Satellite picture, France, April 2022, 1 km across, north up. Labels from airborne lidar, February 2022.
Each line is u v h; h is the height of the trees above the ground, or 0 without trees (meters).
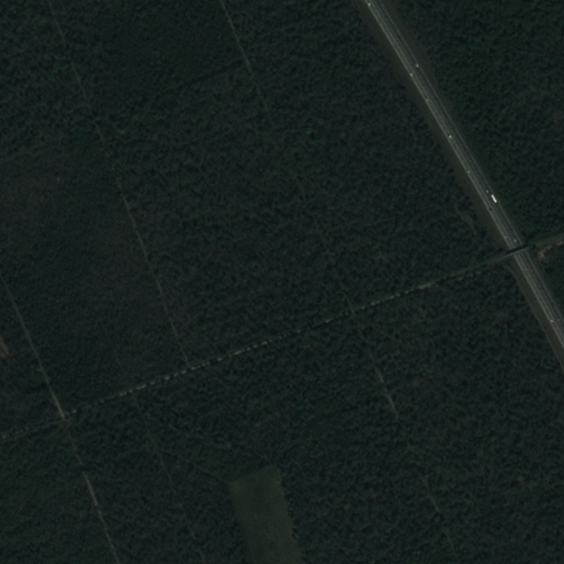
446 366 23
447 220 15
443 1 18
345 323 17
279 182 16
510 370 18
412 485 21
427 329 21
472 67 18
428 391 17
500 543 18
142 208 14
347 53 9
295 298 7
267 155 17
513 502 16
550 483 22
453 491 18
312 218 11
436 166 15
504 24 19
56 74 12
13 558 15
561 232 10
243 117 19
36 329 10
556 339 0
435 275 13
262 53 12
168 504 7
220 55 7
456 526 18
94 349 11
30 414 15
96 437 15
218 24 8
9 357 12
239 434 18
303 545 14
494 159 16
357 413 12
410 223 14
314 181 19
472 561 9
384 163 7
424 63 0
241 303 8
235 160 19
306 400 15
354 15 17
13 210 8
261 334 16
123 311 9
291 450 6
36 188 10
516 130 11
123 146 20
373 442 18
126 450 16
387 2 0
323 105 18
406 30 0
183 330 16
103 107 12
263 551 0
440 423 16
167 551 18
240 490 0
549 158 16
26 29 19
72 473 11
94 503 8
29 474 13
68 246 10
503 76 13
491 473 19
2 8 16
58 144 10
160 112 17
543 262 0
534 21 21
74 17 16
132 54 8
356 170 12
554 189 15
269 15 20
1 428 8
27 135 16
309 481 9
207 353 12
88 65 18
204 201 18
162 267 15
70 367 10
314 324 16
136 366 11
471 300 19
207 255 11
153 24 9
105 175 10
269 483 0
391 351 10
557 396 17
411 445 18
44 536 9
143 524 19
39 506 10
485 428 15
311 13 13
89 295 10
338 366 19
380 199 18
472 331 21
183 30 9
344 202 16
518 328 14
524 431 21
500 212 0
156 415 20
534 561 20
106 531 15
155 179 12
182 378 15
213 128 17
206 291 17
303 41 17
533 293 0
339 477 8
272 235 19
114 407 18
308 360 10
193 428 13
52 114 11
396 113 17
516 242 0
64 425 17
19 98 19
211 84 22
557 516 17
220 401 18
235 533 10
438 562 9
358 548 20
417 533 19
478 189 0
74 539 12
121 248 9
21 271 8
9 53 19
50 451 11
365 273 8
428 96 0
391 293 17
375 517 15
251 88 21
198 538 12
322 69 13
